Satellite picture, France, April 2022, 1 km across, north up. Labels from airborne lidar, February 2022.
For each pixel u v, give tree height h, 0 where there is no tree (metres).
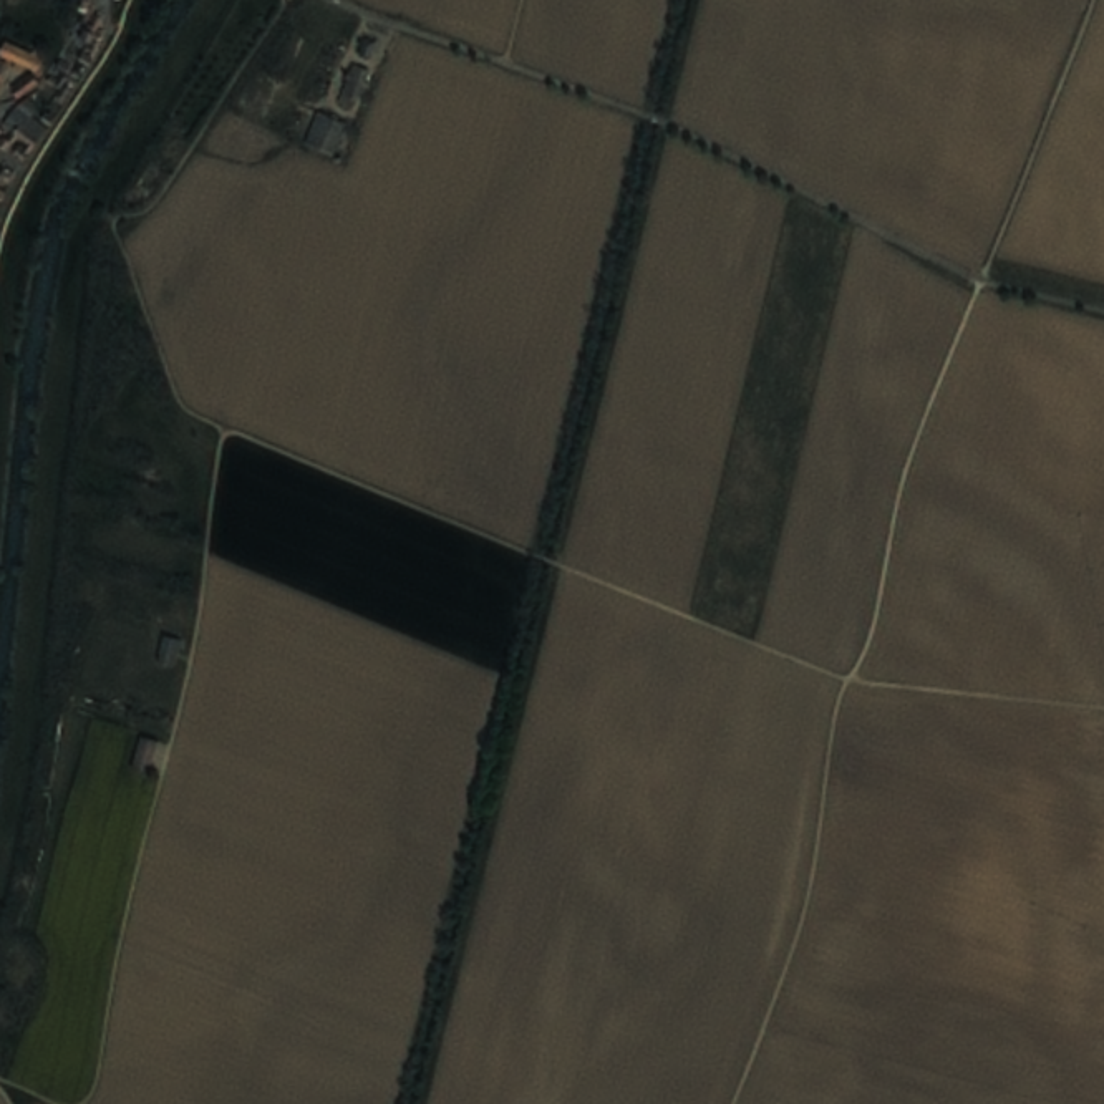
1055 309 0
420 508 0
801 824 0
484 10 0
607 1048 0
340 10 0
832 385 0
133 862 0
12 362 12
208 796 0
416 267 0
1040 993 0
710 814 0
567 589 0
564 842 0
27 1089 0
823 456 0
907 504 0
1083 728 0
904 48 0
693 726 0
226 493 0
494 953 0
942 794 0
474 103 0
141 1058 0
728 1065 0
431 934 0
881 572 0
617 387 0
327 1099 0
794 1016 0
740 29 0
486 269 0
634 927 0
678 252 0
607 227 0
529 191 0
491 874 0
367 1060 0
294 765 0
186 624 0
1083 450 0
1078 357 0
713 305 0
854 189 0
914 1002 0
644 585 0
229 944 0
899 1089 0
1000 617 0
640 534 0
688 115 0
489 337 0
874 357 0
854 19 0
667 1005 0
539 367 0
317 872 0
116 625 0
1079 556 0
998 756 0
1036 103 0
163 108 0
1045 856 0
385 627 0
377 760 0
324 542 0
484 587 0
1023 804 0
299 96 0
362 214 0
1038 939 0
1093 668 0
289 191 0
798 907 0
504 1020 0
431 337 0
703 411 0
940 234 0
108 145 12
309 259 0
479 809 15
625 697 0
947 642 0
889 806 0
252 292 0
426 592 0
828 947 0
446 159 0
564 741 0
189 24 0
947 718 0
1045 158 0
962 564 0
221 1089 0
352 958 0
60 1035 0
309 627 0
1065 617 0
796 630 0
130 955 0
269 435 0
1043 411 0
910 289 0
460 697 0
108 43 0
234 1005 0
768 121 0
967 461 0
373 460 0
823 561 0
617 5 0
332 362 0
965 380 0
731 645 0
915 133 0
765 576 0
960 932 0
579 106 0
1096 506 0
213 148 0
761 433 0
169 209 0
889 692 0
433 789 0
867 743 0
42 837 0
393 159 0
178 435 0
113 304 10
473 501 0
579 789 0
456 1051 0
